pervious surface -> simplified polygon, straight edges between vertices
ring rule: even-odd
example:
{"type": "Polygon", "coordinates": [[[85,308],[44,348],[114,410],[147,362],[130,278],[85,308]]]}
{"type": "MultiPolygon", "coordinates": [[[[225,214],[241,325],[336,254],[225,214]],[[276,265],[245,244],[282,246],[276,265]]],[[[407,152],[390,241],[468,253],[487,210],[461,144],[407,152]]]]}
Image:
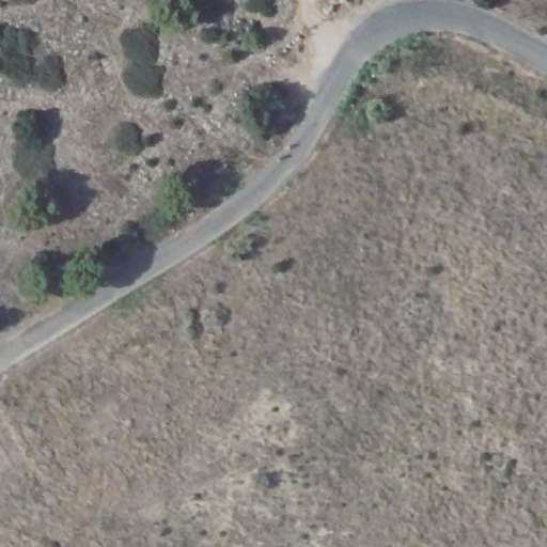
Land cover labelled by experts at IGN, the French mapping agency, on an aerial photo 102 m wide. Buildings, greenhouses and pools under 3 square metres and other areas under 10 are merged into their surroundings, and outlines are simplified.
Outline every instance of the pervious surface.
{"type": "Polygon", "coordinates": [[[303,17],[306,26],[310,26],[312,36],[308,38],[306,51],[301,53],[297,64],[282,66],[278,75],[284,81],[299,83],[308,90],[312,92],[314,88],[318,88],[323,73],[333,62],[342,43],[357,26],[365,21],[365,17],[385,6],[397,4],[400,0],[299,0],[297,13],[303,17]]]}

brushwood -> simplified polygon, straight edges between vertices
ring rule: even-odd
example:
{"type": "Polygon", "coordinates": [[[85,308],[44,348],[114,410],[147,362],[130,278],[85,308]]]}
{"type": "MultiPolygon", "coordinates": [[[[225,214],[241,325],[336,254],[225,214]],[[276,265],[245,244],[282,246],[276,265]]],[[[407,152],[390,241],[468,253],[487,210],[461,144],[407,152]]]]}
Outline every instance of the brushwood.
{"type": "Polygon", "coordinates": [[[47,145],[38,141],[38,137],[32,132],[32,126],[34,113],[38,109],[26,109],[17,113],[17,120],[13,124],[13,167],[24,179],[28,175],[41,175],[43,179],[45,179],[49,171],[58,167],[56,143],[51,141],[47,145]]]}
{"type": "Polygon", "coordinates": [[[135,96],[145,98],[156,98],[162,94],[165,66],[158,64],[160,34],[147,21],[143,21],[137,28],[128,28],[122,34],[122,47],[126,58],[124,81],[130,88],[130,92],[135,96]]]}
{"type": "Polygon", "coordinates": [[[34,85],[53,92],[66,85],[66,71],[62,56],[58,53],[47,56],[41,64],[34,62],[34,51],[26,49],[28,28],[0,24],[0,75],[9,77],[13,85],[19,88],[34,85]]]}
{"type": "Polygon", "coordinates": [[[135,122],[124,122],[115,130],[120,152],[141,154],[145,147],[152,147],[162,141],[162,137],[156,132],[143,135],[143,130],[135,122]]]}

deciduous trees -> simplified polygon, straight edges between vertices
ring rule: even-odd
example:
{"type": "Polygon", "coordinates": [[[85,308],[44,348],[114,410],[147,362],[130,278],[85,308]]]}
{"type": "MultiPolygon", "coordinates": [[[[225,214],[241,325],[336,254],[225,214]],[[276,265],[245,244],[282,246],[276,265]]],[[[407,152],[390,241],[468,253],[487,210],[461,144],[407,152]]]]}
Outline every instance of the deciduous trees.
{"type": "Polygon", "coordinates": [[[30,301],[41,308],[49,301],[51,295],[47,293],[47,278],[34,259],[26,259],[19,265],[19,293],[24,293],[24,297],[30,297],[30,301]]]}
{"type": "Polygon", "coordinates": [[[169,235],[169,231],[182,229],[186,224],[188,214],[197,212],[197,207],[190,203],[190,194],[182,184],[184,171],[162,175],[160,190],[154,194],[154,209],[137,218],[137,222],[145,229],[145,239],[156,244],[169,235]]]}
{"type": "Polygon", "coordinates": [[[280,96],[263,83],[246,88],[246,92],[239,98],[241,109],[235,113],[233,122],[237,126],[244,126],[254,137],[259,137],[267,128],[269,115],[274,111],[284,107],[280,96]]]}
{"type": "Polygon", "coordinates": [[[150,9],[147,21],[160,34],[167,28],[175,32],[186,32],[192,28],[190,17],[197,13],[197,9],[190,4],[190,0],[145,0],[150,9]]]}
{"type": "Polygon", "coordinates": [[[370,128],[378,130],[380,124],[387,120],[387,107],[382,100],[365,100],[368,124],[370,128]]]}
{"type": "Polygon", "coordinates": [[[53,220],[56,203],[49,194],[49,184],[45,179],[43,179],[36,184],[34,212],[41,214],[49,224],[58,222],[53,220]]]}
{"type": "Polygon", "coordinates": [[[92,297],[100,288],[98,278],[103,274],[103,265],[92,261],[96,248],[83,248],[79,252],[68,252],[71,261],[64,265],[60,297],[92,297]]]}

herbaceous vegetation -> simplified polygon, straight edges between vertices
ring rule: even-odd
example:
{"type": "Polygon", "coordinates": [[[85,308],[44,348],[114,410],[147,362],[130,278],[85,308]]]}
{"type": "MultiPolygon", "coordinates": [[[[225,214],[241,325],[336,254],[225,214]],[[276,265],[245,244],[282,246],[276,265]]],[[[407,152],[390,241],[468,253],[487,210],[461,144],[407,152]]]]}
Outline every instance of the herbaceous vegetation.
{"type": "Polygon", "coordinates": [[[509,4],[504,4],[504,9],[511,15],[515,15],[521,21],[532,21],[538,34],[547,34],[547,0],[511,0],[509,4]]]}
{"type": "Polygon", "coordinates": [[[286,179],[288,188],[284,197],[280,197],[274,205],[263,203],[246,220],[237,222],[233,229],[222,233],[212,244],[199,248],[197,254],[184,259],[175,267],[162,271],[158,278],[130,291],[126,297],[118,299],[94,318],[71,329],[43,353],[30,355],[24,363],[13,365],[6,372],[0,372],[0,547],[547,547],[547,75],[528,68],[500,47],[494,47],[485,41],[472,41],[462,30],[415,32],[406,38],[397,38],[395,43],[380,49],[363,66],[357,64],[355,73],[350,73],[338,100],[333,103],[338,111],[327,126],[329,137],[316,145],[316,158],[310,162],[310,167],[297,171],[286,179]],[[382,100],[387,107],[387,120],[380,124],[378,130],[370,128],[368,124],[365,100],[382,100]]]}
{"type": "Polygon", "coordinates": [[[209,207],[220,205],[222,199],[231,197],[239,188],[241,179],[248,179],[256,169],[263,169],[269,156],[274,156],[282,147],[284,135],[303,120],[310,100],[308,90],[299,83],[284,81],[278,75],[282,66],[297,64],[301,53],[306,51],[308,38],[312,36],[310,26],[306,26],[303,17],[297,13],[299,0],[190,0],[190,4],[197,9],[197,13],[190,17],[192,28],[186,32],[175,32],[167,28],[160,34],[158,64],[165,66],[162,94],[156,98],[145,98],[135,96],[130,92],[130,88],[124,81],[126,58],[122,47],[122,34],[128,28],[137,28],[143,21],[147,21],[150,9],[145,0],[0,0],[0,24],[28,28],[26,49],[34,51],[34,62],[41,64],[47,56],[58,53],[62,56],[66,71],[66,85],[53,92],[34,85],[19,88],[13,85],[9,77],[0,75],[0,331],[15,327],[21,318],[38,314],[41,308],[30,301],[30,297],[24,297],[24,293],[19,293],[19,265],[26,259],[34,259],[47,278],[47,293],[51,295],[60,297],[64,265],[71,261],[68,252],[79,252],[83,248],[96,248],[92,261],[103,265],[103,274],[98,278],[100,288],[126,286],[135,282],[141,274],[145,274],[152,267],[156,244],[145,239],[145,229],[137,222],[137,218],[154,209],[154,194],[160,190],[162,175],[184,171],[182,184],[190,194],[190,203],[197,207],[197,212],[188,214],[186,224],[197,222],[209,207]],[[274,111],[269,115],[267,128],[259,137],[254,137],[244,126],[237,126],[233,122],[235,113],[241,109],[239,98],[246,92],[246,88],[263,83],[280,96],[284,107],[274,111]],[[49,171],[45,179],[49,184],[49,194],[56,203],[53,220],[58,222],[49,224],[41,214],[34,212],[36,184],[43,179],[41,175],[28,175],[24,179],[13,167],[13,124],[17,120],[17,113],[26,109],[38,109],[34,113],[32,126],[32,132],[38,137],[38,141],[47,145],[51,141],[56,143],[58,167],[49,171]],[[143,135],[156,132],[162,137],[162,141],[152,147],[145,147],[141,154],[120,152],[115,130],[124,122],[135,122],[143,130],[143,135]]]}

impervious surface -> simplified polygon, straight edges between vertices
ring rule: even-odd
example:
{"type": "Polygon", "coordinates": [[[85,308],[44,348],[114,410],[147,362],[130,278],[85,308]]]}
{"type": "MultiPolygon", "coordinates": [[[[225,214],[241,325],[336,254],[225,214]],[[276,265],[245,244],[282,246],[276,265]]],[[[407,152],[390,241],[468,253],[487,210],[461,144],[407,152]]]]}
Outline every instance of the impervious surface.
{"type": "Polygon", "coordinates": [[[51,295],[49,301],[41,308],[38,314],[21,318],[15,327],[0,331],[0,372],[6,372],[13,365],[24,363],[30,355],[43,353],[71,329],[94,318],[118,299],[126,297],[130,291],[158,278],[162,271],[175,267],[184,259],[197,254],[199,248],[212,244],[222,233],[233,229],[237,222],[246,220],[263,203],[274,205],[280,197],[284,197],[288,188],[286,179],[297,171],[310,167],[310,162],[316,158],[316,145],[329,137],[327,126],[338,111],[333,103],[338,100],[350,73],[355,73],[357,64],[363,66],[380,49],[395,43],[397,38],[406,38],[415,32],[462,30],[472,41],[485,41],[494,47],[500,47],[528,68],[547,75],[547,34],[538,34],[532,21],[521,21],[515,15],[511,15],[504,9],[504,4],[509,4],[511,0],[400,0],[397,4],[385,6],[365,17],[365,21],[357,26],[342,43],[333,62],[323,73],[318,88],[314,88],[312,92],[308,90],[310,100],[303,120],[284,135],[282,147],[274,156],[269,156],[263,169],[256,169],[248,179],[241,179],[239,188],[231,197],[222,199],[220,205],[209,207],[197,222],[186,224],[182,229],[169,231],[169,235],[156,244],[152,267],[145,274],[141,274],[135,282],[126,286],[100,288],[92,297],[60,297],[51,295]]]}

